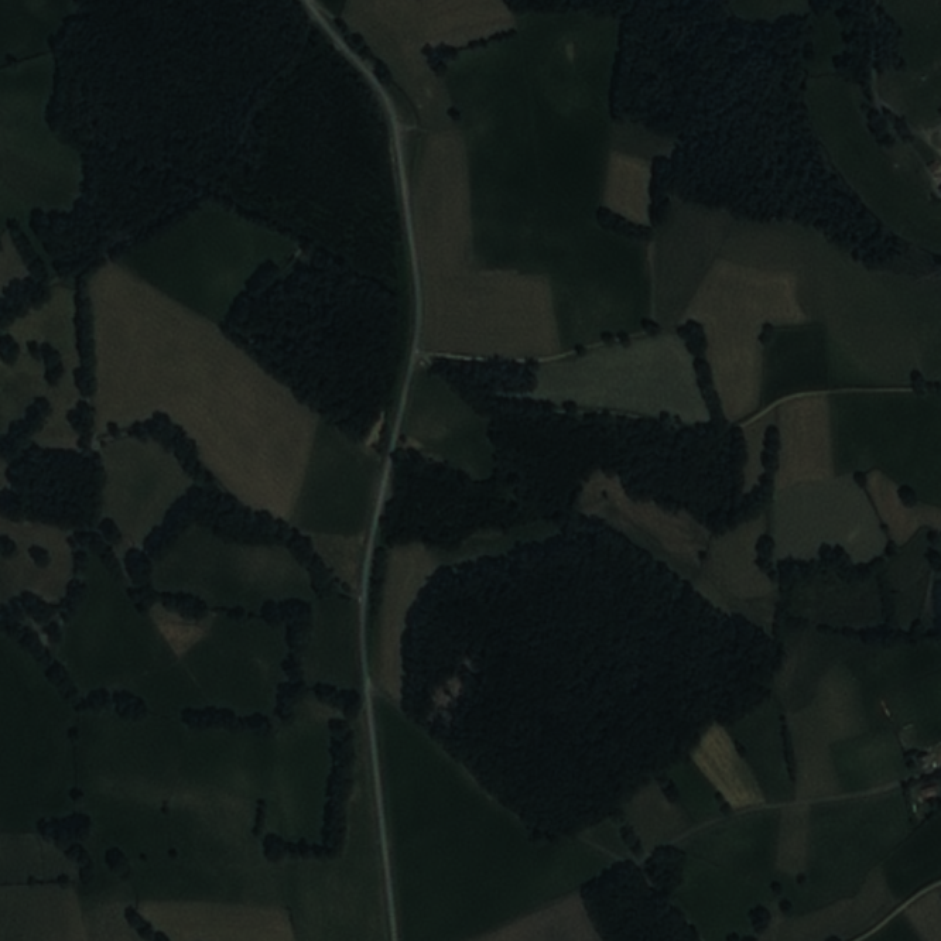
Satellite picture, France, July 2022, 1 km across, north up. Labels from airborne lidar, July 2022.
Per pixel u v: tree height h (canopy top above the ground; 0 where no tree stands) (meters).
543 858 0
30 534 0
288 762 0
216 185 10
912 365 0
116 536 20
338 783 19
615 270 0
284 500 0
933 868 0
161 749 0
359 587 0
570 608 22
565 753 23
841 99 0
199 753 0
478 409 10
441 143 0
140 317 0
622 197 0
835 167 0
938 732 0
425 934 0
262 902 0
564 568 22
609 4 22
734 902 0
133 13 21
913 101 0
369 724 0
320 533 0
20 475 24
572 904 0
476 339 0
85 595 15
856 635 7
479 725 25
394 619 0
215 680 0
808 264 0
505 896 0
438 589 20
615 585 22
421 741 0
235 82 23
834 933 0
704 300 0
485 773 19
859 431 0
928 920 0
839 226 18
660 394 0
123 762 0
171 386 0
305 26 18
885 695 0
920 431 0
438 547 8
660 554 0
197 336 0
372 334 25
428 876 0
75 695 21
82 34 17
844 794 0
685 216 0
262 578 0
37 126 0
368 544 0
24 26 0
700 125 21
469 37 0
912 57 0
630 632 26
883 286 0
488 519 7
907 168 0
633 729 23
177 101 20
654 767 25
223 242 0
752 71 29
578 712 24
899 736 0
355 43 14
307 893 0
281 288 24
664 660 24
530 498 12
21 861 0
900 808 0
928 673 0
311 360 21
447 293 0
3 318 25
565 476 10
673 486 21
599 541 26
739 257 0
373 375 22
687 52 25
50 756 0
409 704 17
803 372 0
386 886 0
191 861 0
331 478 0
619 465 11
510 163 0
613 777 23
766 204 18
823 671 0
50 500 22
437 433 0
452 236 0
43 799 0
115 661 0
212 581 0
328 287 20
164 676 0
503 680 25
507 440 9
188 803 0
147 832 0
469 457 0
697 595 24
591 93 0
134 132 24
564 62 0
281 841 16
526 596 24
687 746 19
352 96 5
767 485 17
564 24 0
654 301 0
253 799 0
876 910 0
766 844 0
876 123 17
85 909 0
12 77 0
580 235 0
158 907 0
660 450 9
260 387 0
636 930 21
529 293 0
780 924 0
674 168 19
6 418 0
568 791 25
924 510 0
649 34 24
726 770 0
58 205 0
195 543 0
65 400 0
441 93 0
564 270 0
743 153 21
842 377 0
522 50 0
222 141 22
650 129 12
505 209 0
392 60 0
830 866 0
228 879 0
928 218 0
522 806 17
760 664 25
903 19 0
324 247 7
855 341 0
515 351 0
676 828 0
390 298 22
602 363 0
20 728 0
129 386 0
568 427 10
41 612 22
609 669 24
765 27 17
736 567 0
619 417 7
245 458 0
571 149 0
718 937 0
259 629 0
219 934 0
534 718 26
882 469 0
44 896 0
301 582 0
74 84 22
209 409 0
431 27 0
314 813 0
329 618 0
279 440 0
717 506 11
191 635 0
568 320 0
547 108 0
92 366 16
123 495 0
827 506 0
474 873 0
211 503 17
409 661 21
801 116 18
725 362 0
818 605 0
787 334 0
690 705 23
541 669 27
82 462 23
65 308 0
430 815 0
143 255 0
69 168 0
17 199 0
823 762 0
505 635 23
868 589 0
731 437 6
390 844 0
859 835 0
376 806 0
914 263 0
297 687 21
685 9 23
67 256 11
